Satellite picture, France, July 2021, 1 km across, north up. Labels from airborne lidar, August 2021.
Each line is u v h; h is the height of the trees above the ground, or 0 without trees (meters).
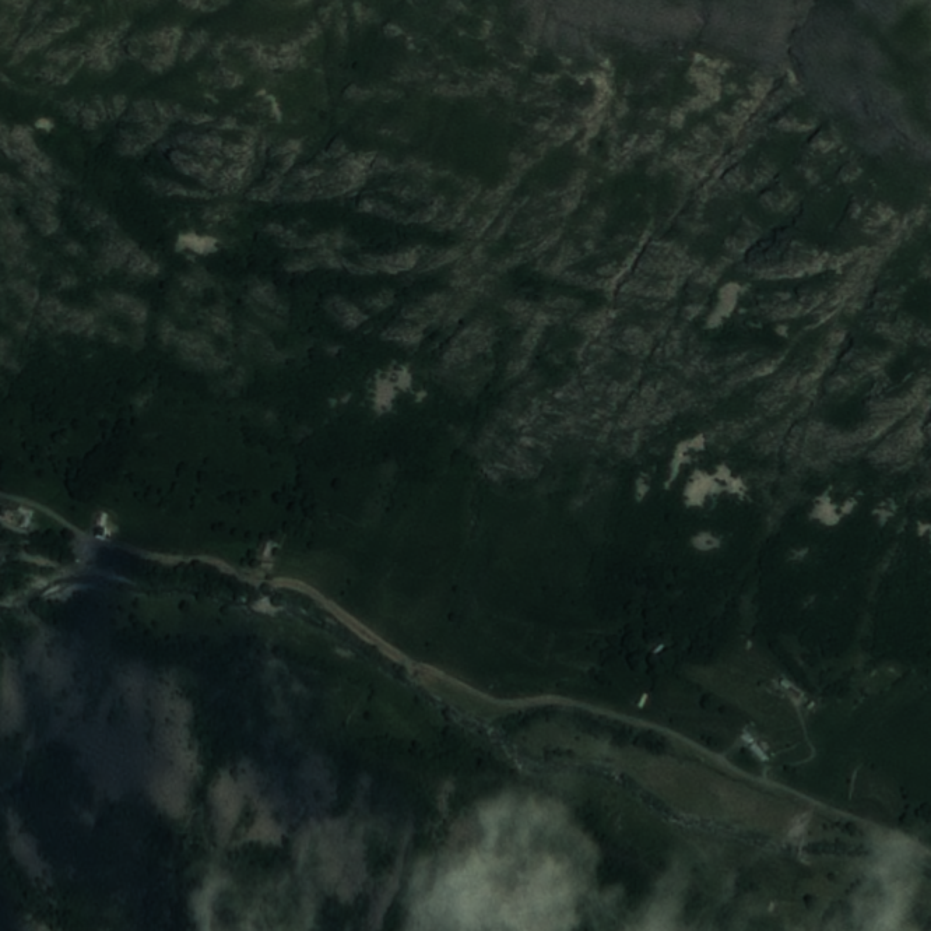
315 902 10
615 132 0
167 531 0
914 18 0
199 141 0
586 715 13
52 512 0
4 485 11
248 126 0
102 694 5
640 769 0
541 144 0
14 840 0
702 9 0
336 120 0
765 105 0
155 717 0
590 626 0
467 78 0
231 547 0
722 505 7
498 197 7
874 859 0
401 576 0
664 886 7
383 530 0
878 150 0
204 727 5
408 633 0
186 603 12
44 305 0
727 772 0
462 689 0
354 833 7
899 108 0
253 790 0
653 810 0
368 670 0
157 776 0
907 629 7
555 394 0
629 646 21
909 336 0
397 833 7
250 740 9
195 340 0
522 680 0
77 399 8
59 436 10
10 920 0
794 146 0
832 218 0
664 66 0
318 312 6
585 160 0
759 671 0
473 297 0
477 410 7
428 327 9
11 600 0
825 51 0
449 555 0
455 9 0
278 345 7
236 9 0
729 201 0
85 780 0
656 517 6
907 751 0
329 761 6
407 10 0
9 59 0
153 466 0
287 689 0
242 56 0
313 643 0
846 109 0
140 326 0
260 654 11
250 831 0
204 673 6
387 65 0
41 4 0
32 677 7
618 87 0
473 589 0
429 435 7
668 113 0
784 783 0
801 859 0
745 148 0
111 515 0
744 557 8
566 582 0
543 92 0
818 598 6
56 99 0
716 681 0
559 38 0
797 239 0
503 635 0
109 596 0
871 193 0
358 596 0
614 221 0
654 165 0
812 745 0
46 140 6
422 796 6
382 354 10
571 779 0
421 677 0
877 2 0
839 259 0
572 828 8
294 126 0
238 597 12
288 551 0
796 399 0
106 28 0
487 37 0
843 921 10
